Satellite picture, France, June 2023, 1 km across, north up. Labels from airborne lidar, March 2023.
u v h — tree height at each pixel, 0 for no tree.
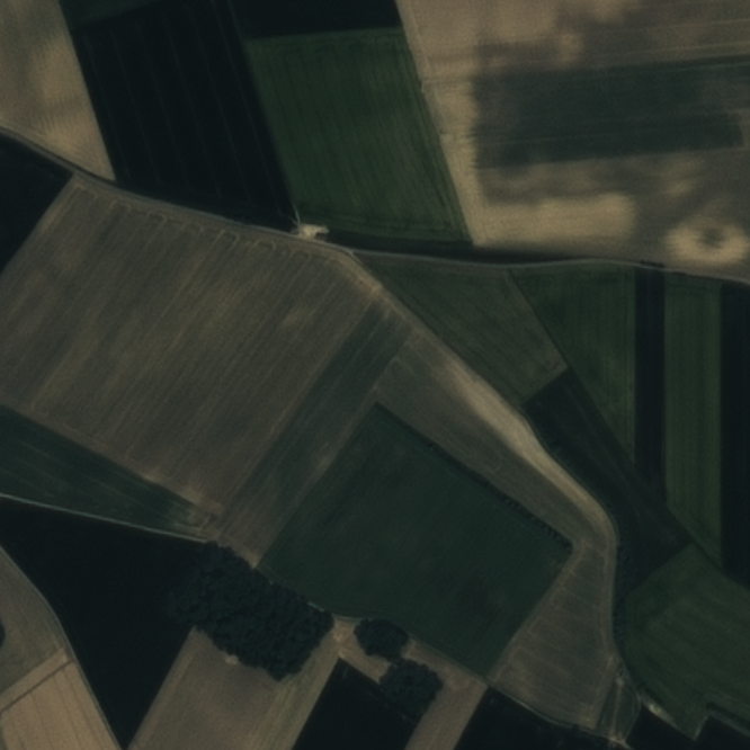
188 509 0
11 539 0
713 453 0
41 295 0
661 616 0
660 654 0
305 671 0
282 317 0
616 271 0
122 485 0
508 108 0
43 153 0
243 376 0
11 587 0
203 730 0
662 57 0
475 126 0
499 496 0
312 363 0
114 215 0
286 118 0
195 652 0
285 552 0
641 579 0
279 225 0
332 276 0
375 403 0
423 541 0
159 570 0
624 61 0
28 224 0
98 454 0
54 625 0
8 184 0
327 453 0
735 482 0
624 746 0
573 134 0
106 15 0
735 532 0
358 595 0
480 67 0
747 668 0
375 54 0
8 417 0
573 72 0
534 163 0
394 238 0
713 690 0
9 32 0
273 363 0
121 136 0
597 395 0
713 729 0
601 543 0
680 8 0
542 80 0
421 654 0
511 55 0
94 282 0
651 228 0
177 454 0
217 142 0
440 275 0
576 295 0
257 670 0
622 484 0
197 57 0
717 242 0
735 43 0
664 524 0
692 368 0
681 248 0
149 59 0
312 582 0
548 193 0
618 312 0
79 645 0
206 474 0
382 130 0
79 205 0
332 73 0
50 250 0
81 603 0
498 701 0
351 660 0
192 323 0
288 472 0
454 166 0
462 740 0
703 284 0
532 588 0
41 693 0
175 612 17
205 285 0
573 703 0
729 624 0
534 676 0
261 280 0
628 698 0
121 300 0
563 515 0
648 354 0
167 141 0
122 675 0
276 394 0
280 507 0
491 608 0
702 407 0
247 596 20
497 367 0
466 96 0
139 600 0
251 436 0
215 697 0
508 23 0
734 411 0
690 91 0
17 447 0
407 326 0
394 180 0
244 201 0
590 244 0
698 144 0
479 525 0
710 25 0
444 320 0
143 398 0
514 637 0
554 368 0
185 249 0
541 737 0
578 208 0
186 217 0
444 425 0
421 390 0
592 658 0
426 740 0
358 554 0
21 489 0
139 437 0
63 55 0
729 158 0
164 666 0
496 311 0
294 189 0
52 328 0
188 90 0
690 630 0
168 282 0
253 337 0
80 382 0
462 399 0
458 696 0
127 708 0
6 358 0
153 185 0
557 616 0
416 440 0
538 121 0
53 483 0
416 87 0
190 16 0
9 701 0
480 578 0
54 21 0
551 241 0
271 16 0
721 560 0
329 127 0
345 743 0
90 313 0
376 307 0
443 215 0
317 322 0
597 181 0
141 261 0
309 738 0
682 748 0
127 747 0
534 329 0
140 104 0
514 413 0
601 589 0
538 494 0
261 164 0
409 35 0
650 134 0
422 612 0
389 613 0
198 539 0
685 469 0
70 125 0
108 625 0
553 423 0
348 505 0
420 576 0
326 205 0
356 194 0
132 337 0
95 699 0
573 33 0
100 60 0
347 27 0
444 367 0
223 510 0
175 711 0
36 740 0
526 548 0
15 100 0
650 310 0
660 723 0
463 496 0
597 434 0
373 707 0
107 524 0
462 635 0
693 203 0
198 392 0
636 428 0
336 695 0
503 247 0
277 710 0
